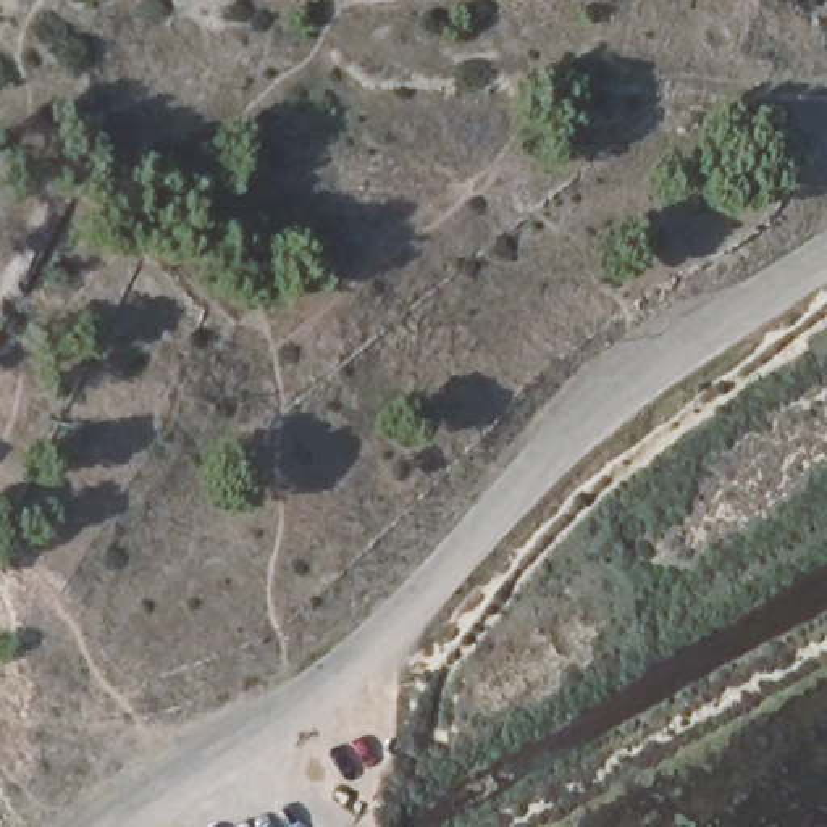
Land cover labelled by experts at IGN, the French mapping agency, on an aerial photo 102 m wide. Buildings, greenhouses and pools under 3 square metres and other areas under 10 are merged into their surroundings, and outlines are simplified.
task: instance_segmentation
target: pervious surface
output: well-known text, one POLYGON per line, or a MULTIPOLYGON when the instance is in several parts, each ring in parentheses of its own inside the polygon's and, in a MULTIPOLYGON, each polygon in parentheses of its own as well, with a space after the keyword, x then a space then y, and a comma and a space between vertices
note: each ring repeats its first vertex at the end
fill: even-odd
POLYGON ((691 397, 678 414, 656 423, 640 443, 617 452, 585 481, 569 488, 562 504, 510 552, 507 565, 497 575, 491 575, 488 585, 481 585, 481 601, 472 611, 452 617, 452 623, 459 627, 452 640, 433 646, 433 653, 420 653, 417 643, 407 646, 401 636, 381 627, 342 672, 326 675, 313 688, 313 695, 300 701, 291 714, 275 717, 262 733, 239 740, 233 753, 178 782, 165 798, 136 811, 123 827, 378 827, 381 782, 394 769, 391 740, 397 727, 401 669, 430 672, 439 669, 452 649, 459 649, 459 643, 465 643, 472 623, 478 623, 478 617, 491 607, 494 594, 504 588, 504 581, 510 581, 510 572, 530 552, 536 552, 536 565, 523 569, 517 588, 530 585, 543 572, 543 565, 565 546, 565 539, 585 527, 591 514, 604 507, 604 501, 627 478, 649 468, 656 455, 662 455, 669 446, 675 446, 701 423, 707 423, 724 404, 737 401, 743 388, 801 359, 808 352, 808 342, 827 330, 827 291, 821 291, 811 300, 795 323, 766 333, 749 355, 743 355, 730 372, 714 378, 730 381, 730 391, 714 394, 711 401, 704 394, 691 397), (785 333, 791 333, 795 342, 772 362, 766 362, 759 372, 743 375, 743 368, 749 368, 753 359, 762 355, 785 333), (569 520, 569 527, 556 536, 549 549, 539 549, 536 543, 588 491, 594 494, 594 501, 569 520))
POLYGON ((643 746, 614 746, 594 775, 598 782, 620 766, 620 759, 643 753, 643 746))
POLYGON ((23 275, 32 265, 32 252, 19 252, 0 271, 0 310, 6 297, 19 291, 23 275))
POLYGON ((200 29, 223 29, 226 19, 216 0, 178 0, 174 6, 200 29))
POLYGON ((675 733, 691 730, 695 724, 704 724, 707 717, 717 717, 727 707, 733 707, 743 695, 759 691, 762 682, 775 682, 795 675, 808 659, 827 653, 827 640, 801 646, 795 659, 782 669, 753 672, 746 682, 727 688, 717 701, 701 704, 695 714, 672 714, 672 720, 662 724, 662 730, 656 730, 656 743, 669 743, 675 733))
POLYGON ((346 71, 362 90, 397 90, 397 78, 375 78, 349 58, 342 58, 339 48, 330 48, 326 61, 346 71))

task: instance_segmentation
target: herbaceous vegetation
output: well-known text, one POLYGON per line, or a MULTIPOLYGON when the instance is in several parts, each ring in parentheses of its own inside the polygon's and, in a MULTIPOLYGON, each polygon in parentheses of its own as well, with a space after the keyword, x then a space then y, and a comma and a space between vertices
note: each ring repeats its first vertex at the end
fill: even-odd
POLYGON ((401 669, 397 727, 414 724, 430 672, 401 669))
POLYGON ((695 514, 685 523, 669 527, 662 539, 656 533, 643 536, 656 549, 656 565, 698 569, 711 539, 740 533, 756 520, 769 520, 779 504, 785 504, 795 491, 804 491, 814 468, 827 465, 827 384, 775 407, 769 430, 743 433, 730 449, 711 452, 711 459, 704 462, 707 478, 701 481, 701 501, 695 504, 695 514))
POLYGON ((740 720, 733 720, 695 740, 691 746, 682 746, 675 756, 649 769, 640 769, 640 775, 633 779, 636 785, 653 785, 656 775, 672 775, 685 766, 695 766, 707 753, 720 753, 730 743, 730 737, 743 727, 740 720))
POLYGON ((497 575, 507 565, 510 552, 562 504, 569 488, 585 481, 617 452, 640 443, 656 423, 678 414, 691 397, 704 394, 711 401, 714 394, 730 391, 730 381, 714 378, 730 372, 743 355, 749 355, 766 333, 795 323, 811 300, 798 297, 791 310, 759 323, 746 339, 733 342, 724 355, 711 359, 678 384, 665 388, 630 423, 623 423, 614 436, 607 436, 581 462, 575 462, 468 572, 468 578, 446 598, 436 617, 423 627, 417 643, 420 653, 433 653, 433 646, 452 640, 459 627, 452 623, 452 617, 472 611, 481 601, 481 585, 488 585, 491 575, 497 575))
POLYGON ((791 333, 785 333, 762 355, 753 359, 749 368, 743 368, 743 375, 759 372, 766 362, 772 362, 795 342, 791 333))
POLYGON ((36 565, 0 572, 0 827, 94 827, 97 821, 87 814, 78 791, 97 779, 116 775, 136 756, 139 737, 132 720, 142 720, 149 714, 158 724, 181 724, 197 714, 223 707, 242 691, 275 688, 307 672, 336 643, 342 643, 365 617, 372 617, 372 611, 384 598, 391 598, 394 588, 410 575, 410 569, 436 549, 436 543, 446 533, 452 533, 452 527, 468 514, 468 507, 478 504, 481 491, 501 475, 501 468, 507 468, 517 459, 517 436, 523 433, 523 426, 585 362, 594 362, 614 342, 636 342, 636 330, 649 323, 653 307, 662 310, 675 300, 720 294, 766 271, 788 252, 801 249, 808 239, 814 239, 827 216, 827 0, 501 0, 497 23, 485 36, 455 45, 449 36, 426 29, 426 16, 433 10, 449 13, 455 0, 216 0, 226 19, 223 29, 200 29, 174 6, 178 0, 0 0, 0 123, 10 126, 6 149, 16 149, 26 158, 26 187, 32 194, 32 200, 26 204, 13 200, 6 155, 0 158, 0 271, 19 252, 32 252, 32 265, 23 275, 19 291, 6 297, 0 310, 0 491, 10 504, 10 530, 23 523, 19 517, 26 507, 36 507, 52 527, 52 533, 65 539, 65 546, 42 552, 36 565), (32 23, 42 13, 55 13, 61 19, 71 19, 84 32, 100 36, 103 61, 87 68, 84 74, 71 74, 48 48, 48 42, 42 42, 32 32, 32 23), (342 58, 349 58, 375 78, 397 78, 397 90, 362 90, 346 71, 326 61, 330 48, 339 48, 342 58), (510 129, 507 107, 507 94, 517 94, 520 78, 527 78, 536 68, 546 68, 552 74, 556 100, 565 100, 588 116, 588 123, 578 126, 569 139, 572 158, 546 174, 530 168, 523 136, 510 129), (78 116, 87 132, 84 155, 65 155, 61 129, 48 107, 52 97, 78 100, 78 116), (798 187, 804 200, 775 200, 749 207, 740 220, 720 216, 717 210, 711 210, 711 204, 688 207, 682 200, 665 207, 646 178, 653 155, 669 145, 678 149, 678 136, 685 136, 685 126, 695 113, 711 113, 714 103, 733 103, 740 97, 753 113, 759 107, 769 107, 769 126, 782 132, 782 152, 795 158, 798 187), (258 139, 252 142, 255 168, 249 174, 246 194, 236 194, 233 171, 220 162, 213 139, 220 123, 233 129, 239 120, 252 116, 258 116, 258 139), (84 184, 90 178, 90 162, 100 145, 110 145, 110 155, 120 155, 132 168, 139 168, 142 158, 155 152, 158 171, 178 171, 181 178, 210 178, 207 213, 213 220, 239 223, 242 233, 258 233, 271 242, 278 233, 304 233, 317 239, 320 265, 336 278, 346 278, 346 291, 304 291, 300 297, 278 297, 275 307, 262 310, 265 291, 255 291, 252 281, 246 288, 236 288, 236 278, 223 268, 223 258, 216 255, 187 255, 181 262, 171 262, 165 252, 123 255, 113 246, 107 249, 87 236, 84 213, 78 213, 78 204, 65 204, 58 216, 48 216, 45 204, 36 200, 36 191, 45 187, 52 178, 61 178, 61 171, 84 184), (588 239, 588 223, 601 223, 607 216, 627 220, 643 213, 649 213, 646 233, 659 265, 653 265, 640 278, 627 278, 620 288, 611 288, 601 278, 601 242, 588 239), (68 313, 78 307, 90 307, 97 330, 94 339, 107 349, 107 359, 84 359, 71 372, 55 375, 55 359, 42 330, 52 313, 68 313), (439 449, 404 455, 384 436, 375 436, 378 407, 394 391, 407 391, 410 410, 420 420, 426 420, 430 430, 436 430, 439 449), (239 436, 246 446, 252 481, 242 488, 242 501, 252 510, 216 510, 197 494, 200 452, 220 433, 239 436), (58 459, 74 468, 71 485, 23 481, 29 449, 39 439, 55 439, 58 459))
POLYGON ((594 501, 594 494, 588 491, 536 543, 539 549, 549 549, 556 536, 569 527, 569 520, 594 501))
POLYGON ((607 627, 611 617, 623 617, 636 604, 633 585, 623 572, 623 546, 611 530, 611 510, 604 507, 591 514, 585 527, 565 539, 565 546, 543 565, 543 572, 530 585, 517 588, 523 569, 536 565, 536 552, 530 552, 510 572, 510 581, 504 581, 504 588, 494 594, 491 607, 478 617, 478 623, 472 623, 465 643, 459 643, 459 649, 452 649, 439 669, 446 672, 446 685, 439 698, 436 740, 488 740, 497 724, 507 743, 510 704, 539 707, 562 688, 565 669, 591 665, 594 636, 607 627))
POLYGON ((827 678, 827 653, 808 659, 795 675, 775 682, 775 695, 753 711, 756 720, 827 678))
POLYGON ((504 827, 523 827, 546 811, 546 801, 533 801, 527 811, 501 804, 507 814, 504 827))

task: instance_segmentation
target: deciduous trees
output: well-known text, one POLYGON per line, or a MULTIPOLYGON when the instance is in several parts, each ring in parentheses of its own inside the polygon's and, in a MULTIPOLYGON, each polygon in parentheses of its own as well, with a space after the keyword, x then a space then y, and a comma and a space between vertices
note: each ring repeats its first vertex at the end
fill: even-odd
POLYGON ((242 488, 252 481, 246 446, 239 436, 220 433, 200 452, 197 494, 216 510, 252 510, 242 501, 242 488))
POLYGON ((52 97, 48 107, 61 129, 65 155, 84 155, 87 132, 78 116, 78 100, 52 97))
POLYGON ((52 527, 36 507, 26 507, 19 517, 23 523, 10 530, 10 504, 0 491, 0 572, 36 565, 42 552, 65 546, 65 539, 52 533, 52 527))
POLYGON ((782 152, 782 132, 769 126, 769 107, 759 107, 753 113, 740 97, 733 103, 714 103, 711 113, 695 113, 685 126, 685 136, 678 136, 678 149, 669 145, 653 155, 646 178, 665 207, 682 200, 688 207, 711 204, 711 210, 717 210, 720 216, 740 220, 749 207, 775 200, 804 200, 798 187, 795 158, 782 152))
POLYGON ((394 391, 378 407, 375 436, 384 436, 404 455, 439 449, 436 430, 430 430, 426 420, 420 420, 410 410, 407 391, 394 391))
POLYGON ((426 29, 449 36, 455 45, 485 36, 497 23, 501 0, 455 0, 449 13, 433 10, 426 16, 426 29))
POLYGON ((627 278, 640 278, 653 265, 659 265, 646 233, 649 213, 643 213, 627 220, 607 216, 601 223, 588 223, 588 239, 601 242, 601 278, 611 288, 620 288, 627 278))
POLYGON ((90 307, 78 307, 68 313, 52 313, 42 330, 55 359, 55 375, 71 372, 84 359, 107 359, 107 349, 94 339, 97 330, 90 307))
POLYGON ((207 213, 210 178, 181 178, 178 171, 158 171, 155 152, 142 158, 139 168, 132 168, 120 155, 110 155, 110 145, 100 145, 90 162, 90 178, 84 184, 61 171, 61 178, 52 178, 45 187, 36 191, 36 200, 45 204, 48 216, 58 216, 65 204, 78 204, 78 213, 84 213, 87 236, 107 249, 113 246, 123 255, 165 252, 171 262, 181 262, 187 255, 216 255, 223 258, 223 268, 236 278, 236 288, 246 288, 252 281, 255 291, 265 291, 262 310, 275 307, 278 297, 300 297, 304 291, 346 291, 346 278, 336 278, 320 265, 317 239, 304 233, 278 233, 271 242, 258 233, 242 233, 239 223, 213 220, 207 213))
POLYGON ((520 78, 517 94, 507 94, 507 107, 510 129, 523 136, 530 168, 546 174, 572 158, 569 139, 578 126, 588 123, 588 116, 565 100, 556 100, 552 74, 546 68, 536 68, 527 78, 520 78))
POLYGON ((55 439, 39 439, 29 449, 23 481, 71 485, 74 468, 58 459, 55 439))
POLYGON ((220 162, 233 171, 236 194, 246 194, 249 174, 255 168, 252 142, 258 139, 258 116, 252 116, 239 120, 233 129, 220 123, 213 139, 220 162))
POLYGON ((0 123, 0 158, 6 155, 13 200, 26 204, 32 200, 32 194, 26 187, 26 158, 16 149, 6 149, 10 126, 0 123))
POLYGON ((103 61, 100 36, 84 32, 71 19, 61 19, 55 13, 42 13, 32 23, 32 32, 42 42, 48 42, 48 48, 71 74, 84 74, 87 68, 103 61))

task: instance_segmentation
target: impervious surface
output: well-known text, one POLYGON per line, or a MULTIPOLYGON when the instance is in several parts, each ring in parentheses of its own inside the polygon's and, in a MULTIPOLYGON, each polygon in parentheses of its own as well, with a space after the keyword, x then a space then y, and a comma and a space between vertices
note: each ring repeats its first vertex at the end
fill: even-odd
POLYGON ((165 798, 178 782, 233 753, 239 740, 262 733, 275 717, 291 714, 300 701, 313 695, 313 688, 326 675, 342 672, 381 627, 401 636, 407 646, 417 643, 423 627, 436 617, 446 598, 468 578, 468 572, 575 462, 581 462, 607 436, 614 436, 623 423, 630 423, 665 388, 678 384, 711 359, 724 355, 733 342, 746 339, 759 323, 791 310, 798 297, 811 300, 821 291, 827 291, 827 216, 814 239, 808 239, 801 249, 788 252, 766 271, 720 294, 675 300, 662 310, 653 307, 649 323, 636 330, 636 342, 614 342, 594 362, 585 362, 523 426, 523 433, 517 436, 517 459, 507 468, 501 468, 501 475, 481 491, 478 504, 468 507, 468 514, 452 527, 452 533, 446 533, 436 543, 436 549, 410 569, 410 575, 394 588, 391 598, 384 598, 372 611, 372 617, 365 617, 342 643, 336 643, 307 672, 275 688, 242 691, 223 707, 197 714, 181 724, 158 724, 149 714, 142 720, 132 720, 139 737, 136 756, 116 775, 97 779, 78 791, 87 814, 97 821, 94 827, 123 827, 136 811, 165 798))

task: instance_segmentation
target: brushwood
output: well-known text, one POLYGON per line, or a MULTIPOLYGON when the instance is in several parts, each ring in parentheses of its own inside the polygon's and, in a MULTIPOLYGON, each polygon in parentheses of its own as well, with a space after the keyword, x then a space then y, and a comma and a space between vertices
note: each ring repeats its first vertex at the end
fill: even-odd
POLYGON ((711 452, 730 449, 743 433, 769 430, 775 407, 827 384, 827 330, 808 342, 808 352, 801 359, 743 388, 737 401, 724 404, 707 423, 701 423, 675 446, 669 446, 662 455, 656 455, 649 468, 627 478, 604 501, 604 507, 611 510, 611 530, 623 546, 623 572, 633 585, 636 604, 623 617, 611 617, 607 627, 594 636, 591 665, 565 669, 562 688, 539 707, 510 704, 507 743, 497 724, 488 740, 436 740, 439 698, 446 685, 446 672, 439 669, 430 672, 414 724, 397 727, 391 740, 394 769, 381 782, 378 827, 394 827, 401 814, 410 814, 414 808, 433 808, 436 798, 459 775, 468 775, 468 788, 481 795, 472 808, 462 808, 452 821, 443 821, 439 827, 504 827, 507 814, 501 804, 527 811, 533 801, 546 801, 546 811, 523 827, 578 827, 588 811, 614 804, 627 791, 627 785, 636 785, 633 779, 640 775, 640 769, 649 769, 675 756, 682 746, 691 746, 695 740, 733 720, 740 720, 743 727, 756 720, 753 711, 775 695, 775 682, 762 682, 759 691, 743 695, 733 707, 727 707, 717 717, 707 717, 704 724, 695 724, 691 730, 675 733, 669 743, 656 743, 656 730, 662 730, 662 724, 672 720, 672 714, 695 714, 701 704, 717 701, 727 688, 746 682, 753 672, 782 669, 795 659, 801 646, 827 640, 827 611, 717 665, 704 678, 678 688, 672 698, 662 698, 643 714, 633 714, 614 730, 601 733, 598 740, 588 740, 539 769, 523 772, 520 779, 510 769, 494 769, 494 762, 501 756, 517 753, 530 740, 543 740, 562 730, 581 711, 601 704, 611 691, 620 691, 633 678, 640 678, 653 662, 675 656, 675 649, 704 640, 707 633, 749 614, 753 607, 762 607, 766 598, 785 591, 801 575, 827 565, 827 465, 814 468, 804 491, 795 491, 785 504, 779 504, 769 520, 756 520, 740 533, 711 539, 698 569, 656 565, 656 549, 643 536, 656 533, 662 539, 669 527, 685 523, 695 514, 695 504, 701 501, 701 481, 707 478, 704 462, 711 459, 711 452), (620 766, 598 782, 594 775, 614 746, 643 746, 643 753, 620 759, 620 766))

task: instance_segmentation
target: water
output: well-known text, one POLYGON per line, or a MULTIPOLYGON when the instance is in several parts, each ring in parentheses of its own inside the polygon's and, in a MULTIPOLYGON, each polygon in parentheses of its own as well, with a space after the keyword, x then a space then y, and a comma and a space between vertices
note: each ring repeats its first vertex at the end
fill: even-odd
POLYGON ((633 714, 643 714, 662 698, 672 698, 678 688, 704 678, 717 665, 827 611, 827 565, 801 575, 785 591, 766 598, 762 607, 753 607, 749 614, 707 633, 704 640, 675 649, 675 656, 653 662, 640 678, 633 678, 620 691, 611 691, 601 704, 581 711, 562 730, 543 740, 530 740, 517 753, 501 756, 494 762, 494 769, 510 769, 520 779, 523 772, 539 769, 588 740, 598 740, 601 733, 614 730, 633 714))
POLYGON ((462 808, 472 808, 481 795, 468 788, 468 775, 459 775, 436 798, 433 808, 414 808, 410 814, 401 814, 394 827, 439 827, 443 821, 452 821, 462 808))
POLYGON ((614 804, 588 811, 578 827, 827 827, 827 678, 756 720, 743 727, 730 737, 730 743, 720 753, 707 753, 695 766, 685 766, 672 775, 656 775, 653 785, 636 785, 627 785, 627 791, 614 804))

